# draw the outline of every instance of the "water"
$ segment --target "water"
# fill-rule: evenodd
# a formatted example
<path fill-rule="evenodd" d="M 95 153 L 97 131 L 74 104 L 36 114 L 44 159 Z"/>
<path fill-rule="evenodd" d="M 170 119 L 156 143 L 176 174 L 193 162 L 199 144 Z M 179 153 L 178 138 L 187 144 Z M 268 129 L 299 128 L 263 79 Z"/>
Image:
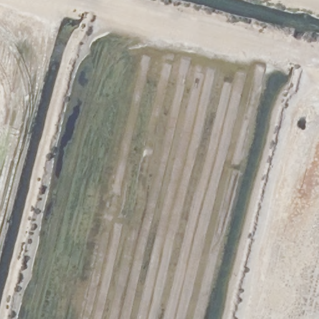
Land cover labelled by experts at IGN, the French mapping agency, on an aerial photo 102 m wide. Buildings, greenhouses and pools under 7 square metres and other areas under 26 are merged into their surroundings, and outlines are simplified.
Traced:
<path fill-rule="evenodd" d="M 283 29 L 295 39 L 302 37 L 309 42 L 319 40 L 319 19 L 312 15 L 307 12 L 290 14 L 260 4 L 250 4 L 244 0 L 183 0 L 207 6 L 216 14 L 226 12 L 252 17 L 270 25 Z"/>
<path fill-rule="evenodd" d="M 50 148 L 47 155 L 47 158 L 55 161 L 52 173 L 56 177 L 60 177 L 64 148 L 74 135 L 75 122 L 80 115 L 81 100 L 77 100 L 74 110 L 64 122 L 59 143 Z"/>
<path fill-rule="evenodd" d="M 203 319 L 224 319 L 229 278 L 247 216 L 250 194 L 262 161 L 270 116 L 280 90 L 290 80 L 282 71 L 270 72 L 260 95 L 252 145 L 232 209 L 222 262 L 216 270 Z"/>

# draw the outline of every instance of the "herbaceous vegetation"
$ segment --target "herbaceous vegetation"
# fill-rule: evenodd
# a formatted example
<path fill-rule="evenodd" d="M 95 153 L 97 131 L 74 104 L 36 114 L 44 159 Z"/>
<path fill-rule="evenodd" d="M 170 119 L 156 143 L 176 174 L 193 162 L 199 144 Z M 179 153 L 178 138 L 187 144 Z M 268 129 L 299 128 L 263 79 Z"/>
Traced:
<path fill-rule="evenodd" d="M 273 4 L 272 0 L 244 0 L 250 4 L 260 4 L 290 14 L 307 12 L 312 15 L 312 12 L 307 10 Z"/>
<path fill-rule="evenodd" d="M 252 22 L 260 25 L 259 32 L 264 32 L 265 27 L 270 25 L 252 17 L 226 12 L 227 22 Z"/>
<path fill-rule="evenodd" d="M 222 262 L 232 209 L 252 145 L 260 95 L 253 88 L 252 93 L 249 93 L 247 106 L 238 103 L 237 117 L 233 122 L 231 141 L 202 248 L 202 254 L 207 257 L 212 252 L 219 254 L 216 270 Z"/>
<path fill-rule="evenodd" d="M 44 131 L 47 110 L 60 65 L 51 59 L 49 70 L 45 74 L 36 117 L 32 122 L 29 150 L 22 167 L 0 258 L 0 303 L 29 192 L 37 148 Z"/>

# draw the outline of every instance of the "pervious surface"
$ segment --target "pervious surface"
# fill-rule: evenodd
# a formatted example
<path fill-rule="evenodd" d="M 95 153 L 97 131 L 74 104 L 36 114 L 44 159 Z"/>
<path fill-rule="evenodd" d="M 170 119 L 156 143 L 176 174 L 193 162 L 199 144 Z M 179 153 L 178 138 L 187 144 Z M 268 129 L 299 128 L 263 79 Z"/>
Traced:
<path fill-rule="evenodd" d="M 260 95 L 270 72 L 282 71 L 290 80 L 280 90 L 270 116 L 262 161 L 250 194 L 247 216 L 229 278 L 224 319 L 319 319 L 319 40 L 309 42 L 302 37 L 295 39 L 283 29 L 270 25 L 265 27 L 264 32 L 259 32 L 260 25 L 252 22 L 227 22 L 226 12 L 216 14 L 207 6 L 183 0 L 0 0 L 0 258 L 22 167 L 29 150 L 32 122 L 36 117 L 45 74 L 49 70 L 51 59 L 61 21 L 65 17 L 79 20 L 79 26 L 67 41 L 60 65 L 47 110 L 44 131 L 37 148 L 29 192 L 0 303 L 0 319 L 203 319 L 216 270 L 219 254 L 212 252 L 207 257 L 202 254 L 202 248 L 231 141 L 233 122 L 237 117 L 238 103 L 247 106 L 249 93 L 252 93 L 253 88 Z M 75 122 L 74 135 L 64 148 L 60 177 L 56 177 L 52 173 L 55 161 L 47 158 L 47 155 L 50 148 L 59 143 L 64 122 L 74 110 L 77 100 L 81 100 L 80 115 Z"/>
<path fill-rule="evenodd" d="M 273 4 L 307 10 L 312 12 L 312 15 L 319 19 L 319 0 L 272 0 Z"/>

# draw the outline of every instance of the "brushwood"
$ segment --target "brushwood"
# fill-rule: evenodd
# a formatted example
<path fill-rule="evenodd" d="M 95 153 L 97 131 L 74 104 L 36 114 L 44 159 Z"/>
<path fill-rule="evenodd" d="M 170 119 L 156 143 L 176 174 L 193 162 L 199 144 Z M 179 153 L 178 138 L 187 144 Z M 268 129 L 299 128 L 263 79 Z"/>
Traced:
<path fill-rule="evenodd" d="M 60 65 L 67 41 L 79 26 L 79 20 L 65 17 L 61 21 L 51 59 Z"/>

